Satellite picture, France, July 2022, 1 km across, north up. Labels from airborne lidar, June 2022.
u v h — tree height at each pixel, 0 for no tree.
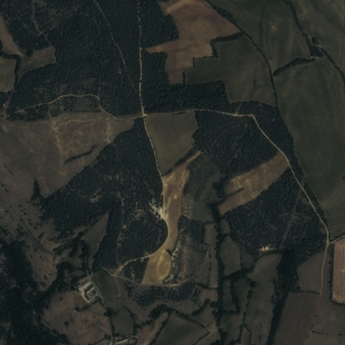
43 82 12
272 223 8
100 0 8
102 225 0
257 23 0
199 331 0
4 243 12
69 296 0
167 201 0
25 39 11
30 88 8
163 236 6
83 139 0
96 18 8
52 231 0
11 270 12
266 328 0
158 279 0
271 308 0
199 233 8
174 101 13
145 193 8
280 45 0
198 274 0
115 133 0
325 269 0
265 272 0
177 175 0
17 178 0
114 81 7
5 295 8
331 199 0
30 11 6
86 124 0
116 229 8
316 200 11
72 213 10
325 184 0
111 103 6
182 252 0
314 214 10
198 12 0
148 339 0
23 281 12
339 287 0
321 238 10
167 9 0
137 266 8
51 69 9
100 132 0
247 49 0
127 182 8
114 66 8
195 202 0
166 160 0
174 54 0
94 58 7
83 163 0
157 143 0
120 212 8
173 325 0
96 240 0
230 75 0
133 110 11
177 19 0
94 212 15
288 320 0
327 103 0
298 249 15
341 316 0
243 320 7
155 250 6
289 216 6
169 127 0
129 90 6
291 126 0
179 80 0
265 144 7
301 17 0
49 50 0
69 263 11
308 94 0
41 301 16
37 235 0
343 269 0
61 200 14
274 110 9
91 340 0
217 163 7
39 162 0
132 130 6
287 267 6
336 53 0
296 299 0
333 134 0
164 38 14
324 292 0
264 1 0
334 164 0
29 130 0
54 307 0
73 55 6
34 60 0
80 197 6
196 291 9
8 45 0
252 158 9
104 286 0
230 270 0
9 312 11
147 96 11
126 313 0
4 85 0
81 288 0
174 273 0
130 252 7
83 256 14
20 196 0
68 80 6
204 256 0
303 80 0
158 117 0
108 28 7
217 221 11
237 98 0
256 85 0
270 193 8
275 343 0
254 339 0
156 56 8
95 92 7
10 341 13
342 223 0
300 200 7
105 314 12
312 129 0
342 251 0
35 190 7
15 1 7
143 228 6
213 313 9
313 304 0
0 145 0
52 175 0
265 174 0
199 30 0
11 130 0
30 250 0
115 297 0
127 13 7
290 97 0
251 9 0
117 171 8
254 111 8
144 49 9
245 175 0
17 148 0
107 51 10
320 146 0
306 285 0
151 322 9
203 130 11
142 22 9
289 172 12
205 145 9
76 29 8
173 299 6
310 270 0
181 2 0
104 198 9
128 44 7
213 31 0
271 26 0
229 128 8
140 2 7
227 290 0
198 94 7
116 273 0
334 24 0
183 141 0
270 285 0
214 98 16
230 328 0
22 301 8
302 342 0
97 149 0
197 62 0
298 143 0
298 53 0
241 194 0
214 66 0
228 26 0
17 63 12
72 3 7
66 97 6
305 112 0
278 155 0
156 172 8
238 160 9
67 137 0
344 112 0
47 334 10
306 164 0
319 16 0
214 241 0
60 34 11
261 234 8
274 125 11
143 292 7
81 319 0
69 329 0
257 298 0
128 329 0
